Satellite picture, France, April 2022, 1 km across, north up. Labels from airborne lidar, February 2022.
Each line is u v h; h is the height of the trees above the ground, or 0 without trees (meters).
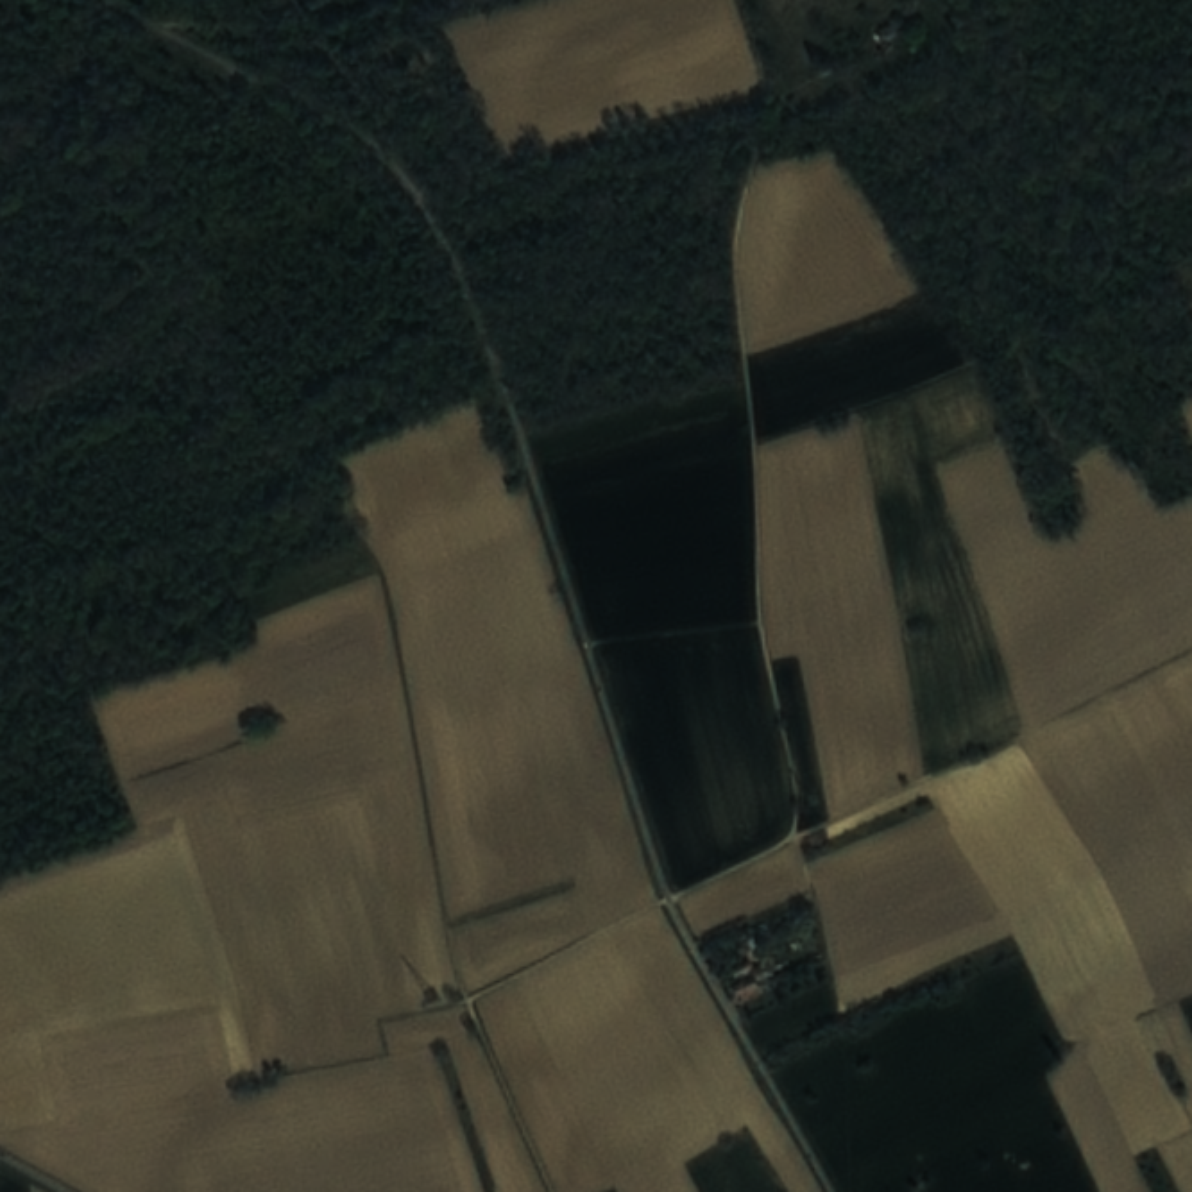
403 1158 0
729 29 0
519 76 0
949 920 0
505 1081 0
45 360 30
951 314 23
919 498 0
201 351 34
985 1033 0
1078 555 0
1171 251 29
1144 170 30
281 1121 0
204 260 31
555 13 0
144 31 20
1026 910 0
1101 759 0
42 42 25
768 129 27
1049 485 25
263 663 0
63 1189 0
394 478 0
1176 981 0
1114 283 16
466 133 29
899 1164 0
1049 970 0
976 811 0
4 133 33
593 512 0
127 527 18
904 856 0
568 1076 0
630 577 0
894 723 0
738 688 0
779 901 0
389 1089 0
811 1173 0
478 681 0
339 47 22
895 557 0
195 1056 0
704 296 22
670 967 0
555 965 0
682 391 19
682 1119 0
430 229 27
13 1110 0
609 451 0
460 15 21
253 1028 0
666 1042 0
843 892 0
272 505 21
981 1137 0
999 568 0
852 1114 0
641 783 0
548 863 0
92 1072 0
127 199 29
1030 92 27
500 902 0
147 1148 0
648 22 0
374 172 25
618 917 0
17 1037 0
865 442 0
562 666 0
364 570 0
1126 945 0
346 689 0
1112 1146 0
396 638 0
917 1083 0
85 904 0
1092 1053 0
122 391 26
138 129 28
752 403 0
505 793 0
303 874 0
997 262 30
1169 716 0
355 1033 0
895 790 0
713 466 0
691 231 23
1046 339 23
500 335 24
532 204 22
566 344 30
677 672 0
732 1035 0
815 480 0
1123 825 0
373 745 0
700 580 0
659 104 0
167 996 0
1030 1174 0
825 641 0
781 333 0
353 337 20
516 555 0
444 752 0
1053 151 28
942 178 27
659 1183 0
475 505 0
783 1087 0
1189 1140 0
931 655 0
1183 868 0
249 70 22
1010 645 0
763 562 0
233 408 27
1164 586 0
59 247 26
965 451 0
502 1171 0
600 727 0
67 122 30
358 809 0
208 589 27
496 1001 0
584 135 0
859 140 24
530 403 23
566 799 0
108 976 0
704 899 0
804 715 0
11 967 0
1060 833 0
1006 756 0
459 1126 0
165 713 0
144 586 25
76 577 32
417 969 0
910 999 8
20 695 22
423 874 0
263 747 0
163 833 0
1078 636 0
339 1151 0
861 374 0
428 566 0
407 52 0
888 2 0
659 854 0
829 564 0
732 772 0
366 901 0
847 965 0
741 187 28
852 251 0
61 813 21
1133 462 25
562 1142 0
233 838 0
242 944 0
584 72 0
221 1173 0
